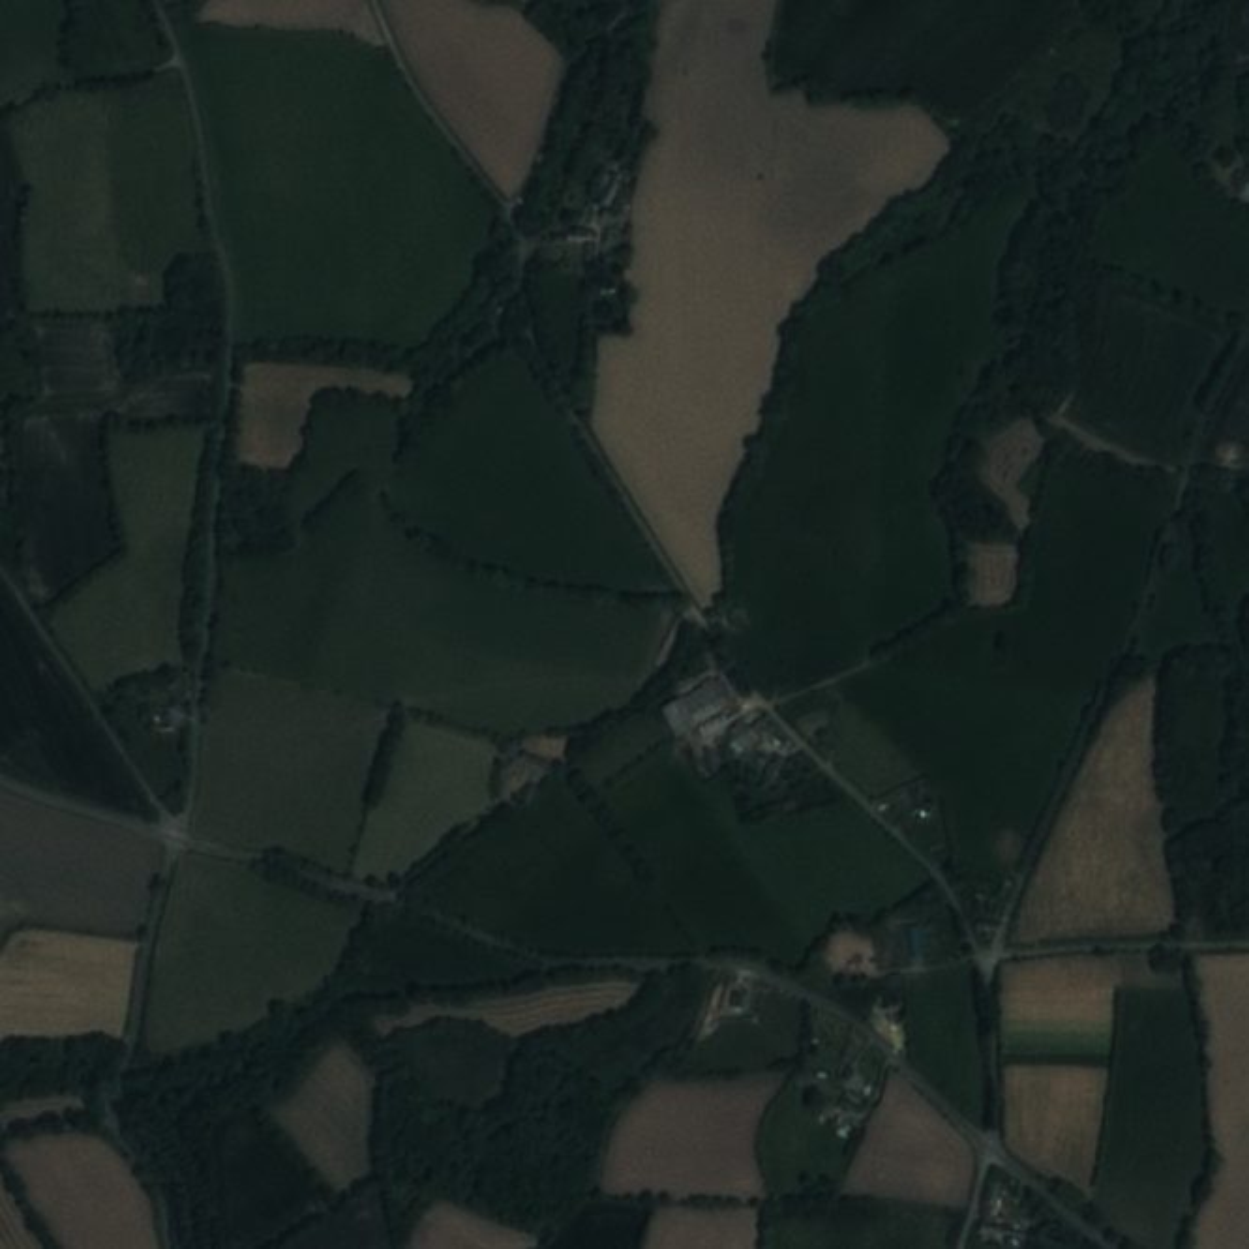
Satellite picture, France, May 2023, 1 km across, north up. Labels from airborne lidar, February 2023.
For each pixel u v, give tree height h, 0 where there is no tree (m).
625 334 10
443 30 0
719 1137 0
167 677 12
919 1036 0
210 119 0
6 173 0
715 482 0
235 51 0
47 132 0
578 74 15
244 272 0
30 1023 0
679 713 0
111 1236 0
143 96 0
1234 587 0
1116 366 0
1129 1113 0
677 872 0
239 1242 0
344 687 0
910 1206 0
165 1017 0
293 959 0
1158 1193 0
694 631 10
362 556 0
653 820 0
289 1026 10
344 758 0
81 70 0
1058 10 0
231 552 10
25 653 0
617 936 0
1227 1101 0
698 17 0
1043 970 0
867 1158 0
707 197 0
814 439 0
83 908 0
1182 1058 0
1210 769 0
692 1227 0
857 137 0
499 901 0
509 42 0
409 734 0
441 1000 15
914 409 0
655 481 0
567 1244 0
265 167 0
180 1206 23
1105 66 0
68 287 0
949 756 0
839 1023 0
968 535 27
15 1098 18
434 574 0
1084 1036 0
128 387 8
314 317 0
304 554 0
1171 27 9
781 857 0
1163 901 0
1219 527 0
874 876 0
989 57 0
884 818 0
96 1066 16
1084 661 0
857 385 0
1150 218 0
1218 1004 0
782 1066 7
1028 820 0
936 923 0
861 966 0
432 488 0
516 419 0
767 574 0
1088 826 0
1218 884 8
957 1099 0
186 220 0
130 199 0
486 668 0
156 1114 18
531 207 15
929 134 0
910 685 0
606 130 0
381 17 0
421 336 0
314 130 0
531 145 0
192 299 12
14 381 0
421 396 7
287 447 0
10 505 13
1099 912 0
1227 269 0
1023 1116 0
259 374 0
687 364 0
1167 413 0
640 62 14
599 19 16
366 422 0
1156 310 0
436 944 0
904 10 0
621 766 0
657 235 0
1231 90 6
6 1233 0
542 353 15
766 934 0
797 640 0
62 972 0
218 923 0
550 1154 14
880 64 0
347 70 0
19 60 0
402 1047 10
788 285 0
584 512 0
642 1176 0
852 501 0
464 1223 0
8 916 0
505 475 0
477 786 0
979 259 0
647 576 0
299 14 0
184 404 0
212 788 0
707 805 0
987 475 0
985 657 0
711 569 0
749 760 0
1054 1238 13
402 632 0
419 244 0
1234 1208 0
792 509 0
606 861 0
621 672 0
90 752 0
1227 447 0
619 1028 11
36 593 0
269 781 0
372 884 10
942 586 0
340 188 0
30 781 0
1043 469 15
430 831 0
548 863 0
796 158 0
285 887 9
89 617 0
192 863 0
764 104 0
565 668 0
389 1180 8
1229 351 13
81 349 0
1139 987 0
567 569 0
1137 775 0
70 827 0
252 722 0
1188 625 0
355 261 0
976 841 0
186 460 0
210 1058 18
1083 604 0
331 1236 0
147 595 0
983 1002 18
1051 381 21
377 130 0
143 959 0
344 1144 0
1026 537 10
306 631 0
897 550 0
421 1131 15
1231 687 16
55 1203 0
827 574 0
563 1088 18
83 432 0
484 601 0
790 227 0
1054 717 0
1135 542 0
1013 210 0
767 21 0
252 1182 0
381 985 0
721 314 0
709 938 0
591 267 11
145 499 0
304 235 0
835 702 0
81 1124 17
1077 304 23
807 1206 8
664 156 0
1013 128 17
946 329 0
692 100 0
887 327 0
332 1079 0
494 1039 9
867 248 16
